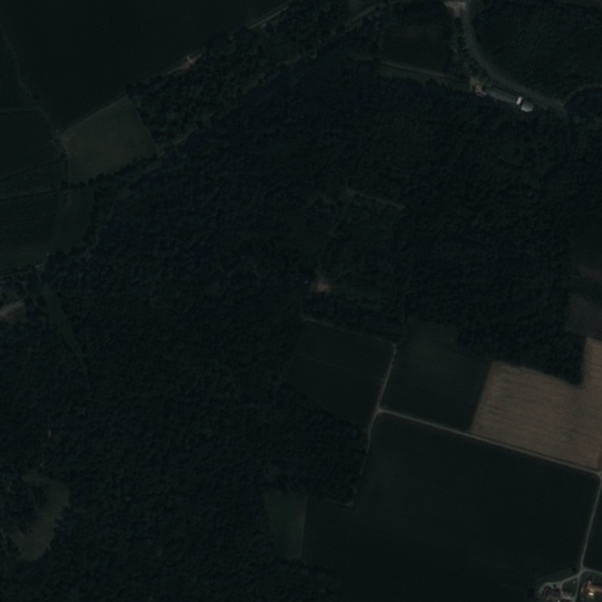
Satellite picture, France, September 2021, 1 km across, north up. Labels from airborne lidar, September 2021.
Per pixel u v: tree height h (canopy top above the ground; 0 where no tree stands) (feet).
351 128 65
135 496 87
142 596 86
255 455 51
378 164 37
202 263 74
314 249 54
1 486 84
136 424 70
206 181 69
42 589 30
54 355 76
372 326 70
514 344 90
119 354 72
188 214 66
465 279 72
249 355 52
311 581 55
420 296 75
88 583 74
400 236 45
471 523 0
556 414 0
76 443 72
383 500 0
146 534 69
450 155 72
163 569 77
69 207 0
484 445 0
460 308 76
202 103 28
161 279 63
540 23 36
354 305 20
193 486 59
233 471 46
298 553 0
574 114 93
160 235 74
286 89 65
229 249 56
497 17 50
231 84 74
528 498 0
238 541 68
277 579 63
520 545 0
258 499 74
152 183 67
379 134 41
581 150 80
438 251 74
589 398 0
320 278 0
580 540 0
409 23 52
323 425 72
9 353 77
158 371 86
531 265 73
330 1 71
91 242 56
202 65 46
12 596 68
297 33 64
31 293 46
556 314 67
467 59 31
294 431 84
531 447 0
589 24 66
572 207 67
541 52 27
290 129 75
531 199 45
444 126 44
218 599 74
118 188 62
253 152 56
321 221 52
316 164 61
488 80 69
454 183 76
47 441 84
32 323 63
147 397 49
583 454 0
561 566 0
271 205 62
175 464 63
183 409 90
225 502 67
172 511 96
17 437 77
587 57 36
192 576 92
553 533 0
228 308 72
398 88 54
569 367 78
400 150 39
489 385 0
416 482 0
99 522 51
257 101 75
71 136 0
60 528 60
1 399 70
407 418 0
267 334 64
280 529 0
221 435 96
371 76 45
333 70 44
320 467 74
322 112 72
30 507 79
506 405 0
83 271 33
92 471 74
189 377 32
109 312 79
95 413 69
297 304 47
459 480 0
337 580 47
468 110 72
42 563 43
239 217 45
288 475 63
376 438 0
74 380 76
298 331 70
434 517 0
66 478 46
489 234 31
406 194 44
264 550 70
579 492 0
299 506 0
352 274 32
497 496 0
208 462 50
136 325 73
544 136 54
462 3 0
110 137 0
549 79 42
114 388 32
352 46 47
